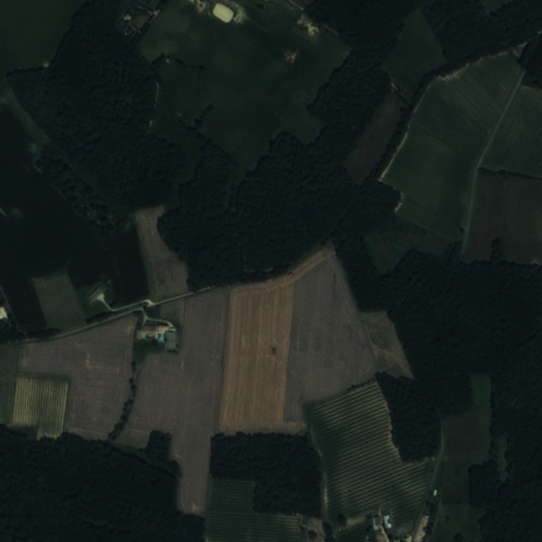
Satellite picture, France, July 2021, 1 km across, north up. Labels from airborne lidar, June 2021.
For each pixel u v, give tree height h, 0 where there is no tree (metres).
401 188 0
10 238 0
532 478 23
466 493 0
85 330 0
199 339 0
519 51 0
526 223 0
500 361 21
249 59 0
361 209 13
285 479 18
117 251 0
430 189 0
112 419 0
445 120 0
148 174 20
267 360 0
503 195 0
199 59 0
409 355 18
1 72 0
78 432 0
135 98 20
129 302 0
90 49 14
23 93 17
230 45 0
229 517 0
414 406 21
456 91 0
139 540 23
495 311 23
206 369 0
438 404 17
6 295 0
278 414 0
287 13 0
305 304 0
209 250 22
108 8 28
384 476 0
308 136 0
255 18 0
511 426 19
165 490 11
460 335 18
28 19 0
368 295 18
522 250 0
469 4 16
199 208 16
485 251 0
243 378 0
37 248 0
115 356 0
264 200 18
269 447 19
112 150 19
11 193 0
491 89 0
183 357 0
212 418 0
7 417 0
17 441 19
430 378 20
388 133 0
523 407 19
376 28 18
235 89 0
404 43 0
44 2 0
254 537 0
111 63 22
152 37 0
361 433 0
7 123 0
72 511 24
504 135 0
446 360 19
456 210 0
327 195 20
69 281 0
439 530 0
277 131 0
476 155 0
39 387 0
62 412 0
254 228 17
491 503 28
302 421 0
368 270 20
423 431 19
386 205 16
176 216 19
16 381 0
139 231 0
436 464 0
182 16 0
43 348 0
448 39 12
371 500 0
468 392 23
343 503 0
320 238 20
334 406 0
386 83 19
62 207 0
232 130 0
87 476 20
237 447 12
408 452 16
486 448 0
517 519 26
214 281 17
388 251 0
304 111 0
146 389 0
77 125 14
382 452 0
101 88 21
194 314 0
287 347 0
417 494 0
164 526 17
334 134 19
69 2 0
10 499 17
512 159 0
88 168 19
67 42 15
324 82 0
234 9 0
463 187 0
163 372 0
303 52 0
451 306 20
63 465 21
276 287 0
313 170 17
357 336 0
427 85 11
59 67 13
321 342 0
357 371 0
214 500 0
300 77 0
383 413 0
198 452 0
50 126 15
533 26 17
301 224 18
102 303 0
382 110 0
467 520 0
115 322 0
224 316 0
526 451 23
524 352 20
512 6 19
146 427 0
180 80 0
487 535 24
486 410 0
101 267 0
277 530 0
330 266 0
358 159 0
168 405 0
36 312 0
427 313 22
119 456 18
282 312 0
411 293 29
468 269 17
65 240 0
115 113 19
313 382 0
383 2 21
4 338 15
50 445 23
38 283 0
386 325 0
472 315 20
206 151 18
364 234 7
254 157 0
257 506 17
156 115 17
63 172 17
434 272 19
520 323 21
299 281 0
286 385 0
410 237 0
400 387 16
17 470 26
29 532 22
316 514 18
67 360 0
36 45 0
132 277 0
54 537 25
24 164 0
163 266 0
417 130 0
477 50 14
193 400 0
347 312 0
